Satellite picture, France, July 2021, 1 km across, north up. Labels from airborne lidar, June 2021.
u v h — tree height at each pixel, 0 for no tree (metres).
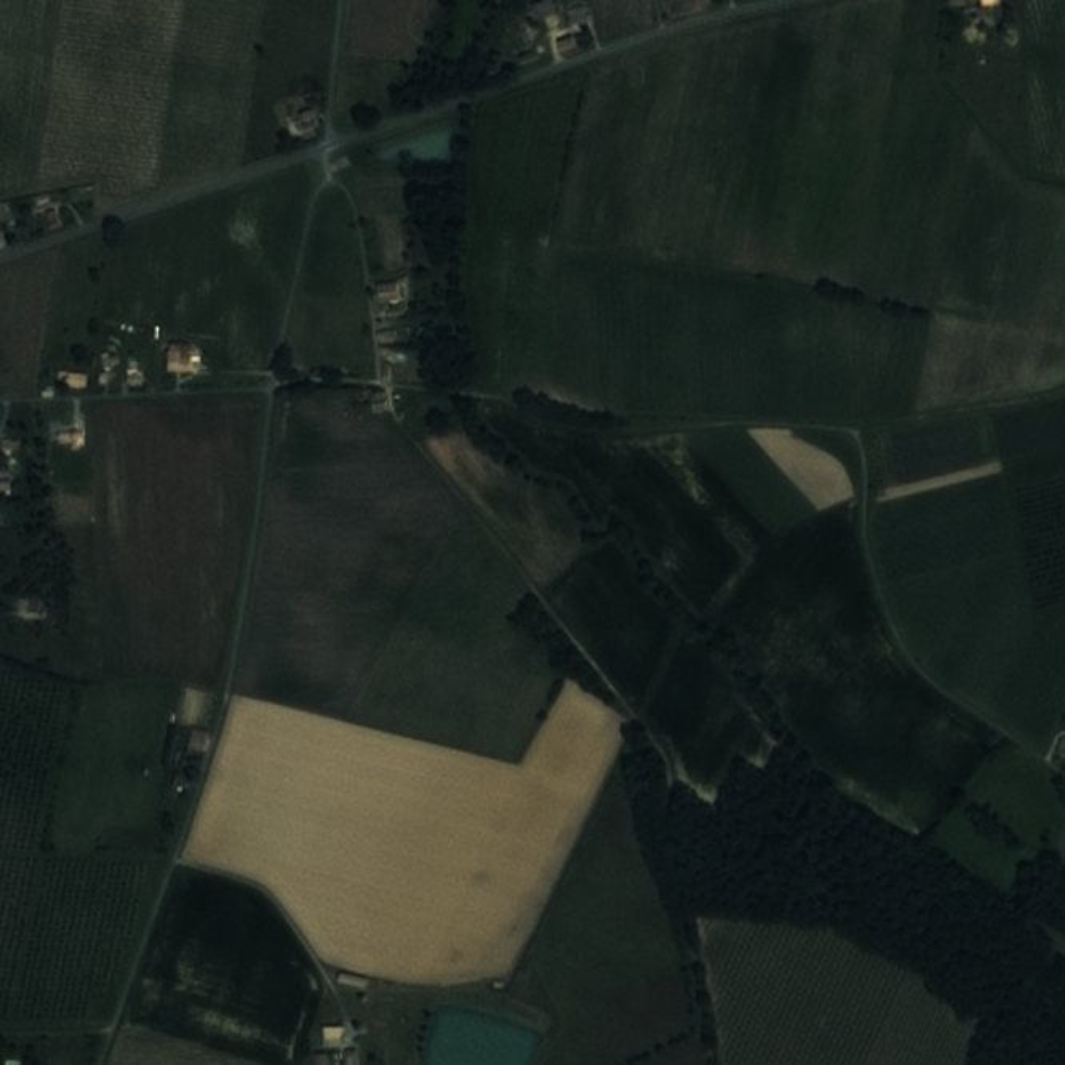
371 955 0
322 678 0
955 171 0
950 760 0
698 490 0
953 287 0
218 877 0
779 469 0
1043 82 0
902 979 0
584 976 0
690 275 0
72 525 0
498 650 0
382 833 0
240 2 0
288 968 0
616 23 0
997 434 0
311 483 0
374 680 0
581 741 0
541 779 0
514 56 0
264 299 0
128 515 0
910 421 0
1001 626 0
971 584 0
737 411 0
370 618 0
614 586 0
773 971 0
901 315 12
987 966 26
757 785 17
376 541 0
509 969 0
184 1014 0
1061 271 0
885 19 0
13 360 0
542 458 0
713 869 20
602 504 0
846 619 0
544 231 0
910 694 0
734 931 0
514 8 14
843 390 0
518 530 0
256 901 0
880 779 0
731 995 0
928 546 0
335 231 0
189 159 0
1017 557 0
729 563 0
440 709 0
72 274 0
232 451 0
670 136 0
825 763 0
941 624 0
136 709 0
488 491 0
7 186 0
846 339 0
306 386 17
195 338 0
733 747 0
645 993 0
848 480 0
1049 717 0
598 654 0
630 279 0
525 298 0
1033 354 0
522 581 0
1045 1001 24
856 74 0
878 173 0
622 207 0
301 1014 0
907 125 0
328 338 0
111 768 0
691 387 0
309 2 0
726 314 0
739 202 0
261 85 0
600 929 0
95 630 0
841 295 15
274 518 0
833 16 0
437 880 0
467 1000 0
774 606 0
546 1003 0
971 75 0
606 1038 0
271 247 0
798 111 0
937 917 30
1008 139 0
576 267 0
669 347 0
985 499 0
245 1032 0
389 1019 0
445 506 0
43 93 0
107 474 0
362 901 0
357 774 0
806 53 0
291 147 10
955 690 0
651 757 20
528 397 13
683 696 0
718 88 0
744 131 0
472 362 30
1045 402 0
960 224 0
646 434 0
